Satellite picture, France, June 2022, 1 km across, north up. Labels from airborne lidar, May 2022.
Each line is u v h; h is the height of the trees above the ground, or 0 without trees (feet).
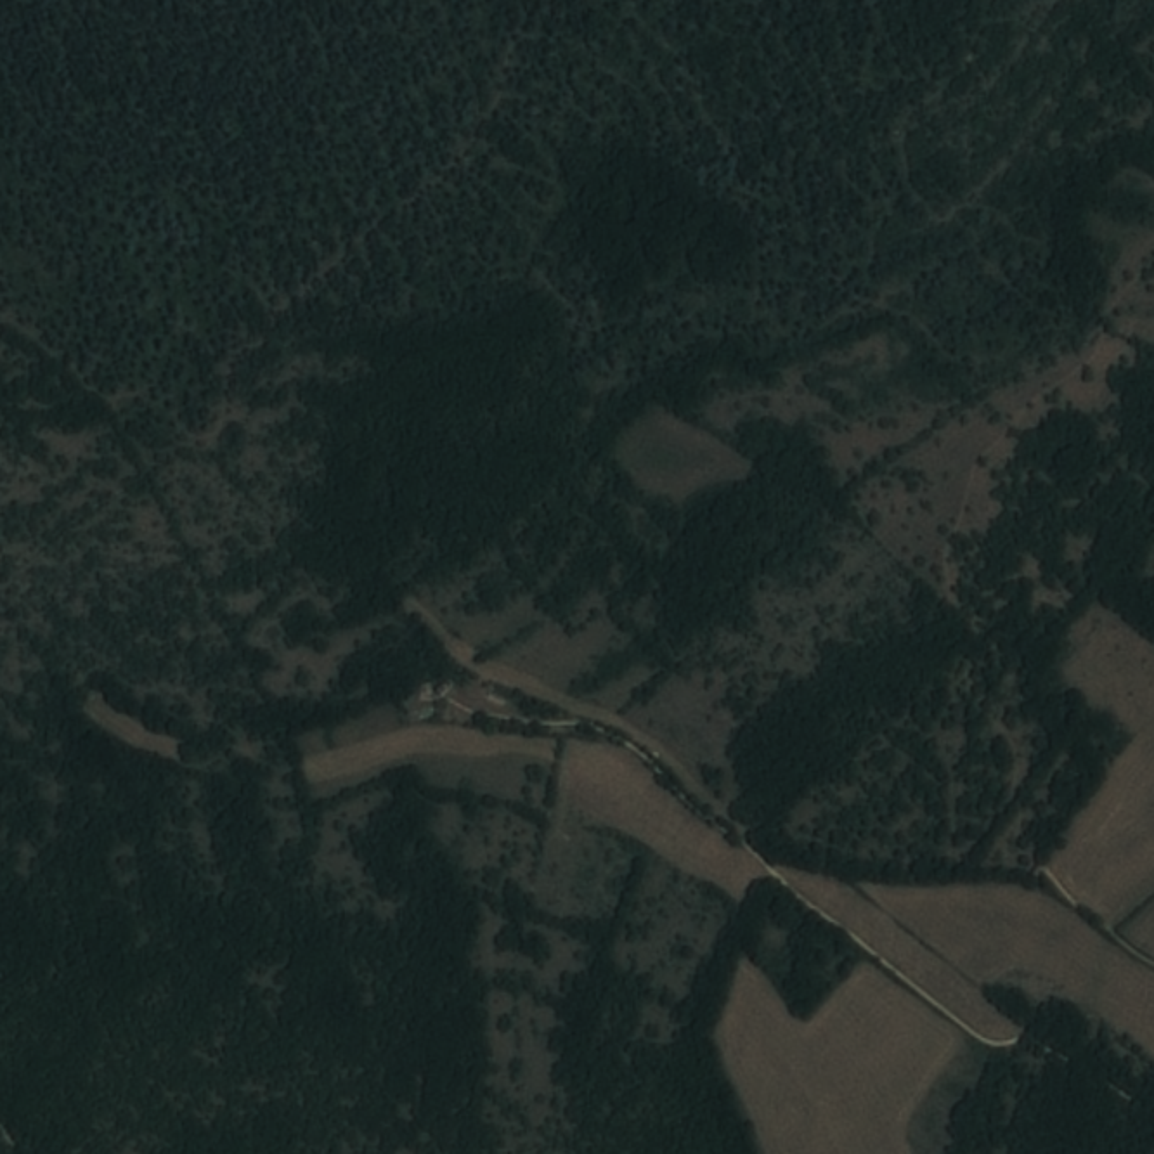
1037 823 32
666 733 0
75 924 28
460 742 0
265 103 50
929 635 39
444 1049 35
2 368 21
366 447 38
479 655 22
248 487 18
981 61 22
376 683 32
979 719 37
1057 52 21
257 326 26
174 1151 26
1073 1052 51
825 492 32
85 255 34
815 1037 0
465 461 41
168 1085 25
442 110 37
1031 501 31
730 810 25
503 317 41
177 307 45
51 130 24
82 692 19
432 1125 24
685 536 39
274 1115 30
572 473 20
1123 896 0
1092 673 0
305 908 24
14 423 26
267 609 21
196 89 53
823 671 34
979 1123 38
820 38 24
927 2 19
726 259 38
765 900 39
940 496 0
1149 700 0
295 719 35
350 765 0
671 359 32
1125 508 37
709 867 0
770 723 39
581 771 0
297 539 29
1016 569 32
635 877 37
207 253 51
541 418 32
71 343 24
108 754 45
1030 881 36
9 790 32
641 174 50
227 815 34
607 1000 32
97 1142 22
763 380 20
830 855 34
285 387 24
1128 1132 34
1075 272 30
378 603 40
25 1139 30
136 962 22
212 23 50
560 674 0
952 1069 0
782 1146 0
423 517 39
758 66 39
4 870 22
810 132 23
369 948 30
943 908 0
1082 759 40
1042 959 0
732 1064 0
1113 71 33
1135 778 0
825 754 37
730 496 31
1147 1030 0
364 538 47
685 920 0
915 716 40
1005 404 0
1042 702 49
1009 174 22
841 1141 0
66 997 31
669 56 18
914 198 41
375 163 45
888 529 0
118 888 20
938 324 19
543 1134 26
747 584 37
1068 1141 42
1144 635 34
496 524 32
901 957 0
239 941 34
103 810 27
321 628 32
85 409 30
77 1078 24
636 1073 22
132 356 42
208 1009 34
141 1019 26
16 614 23
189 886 28
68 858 35
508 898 29
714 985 51
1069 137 42
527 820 21
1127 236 0
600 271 26
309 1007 27
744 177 52
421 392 36
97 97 41
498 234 26
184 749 38
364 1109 28
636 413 28
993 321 34
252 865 29
